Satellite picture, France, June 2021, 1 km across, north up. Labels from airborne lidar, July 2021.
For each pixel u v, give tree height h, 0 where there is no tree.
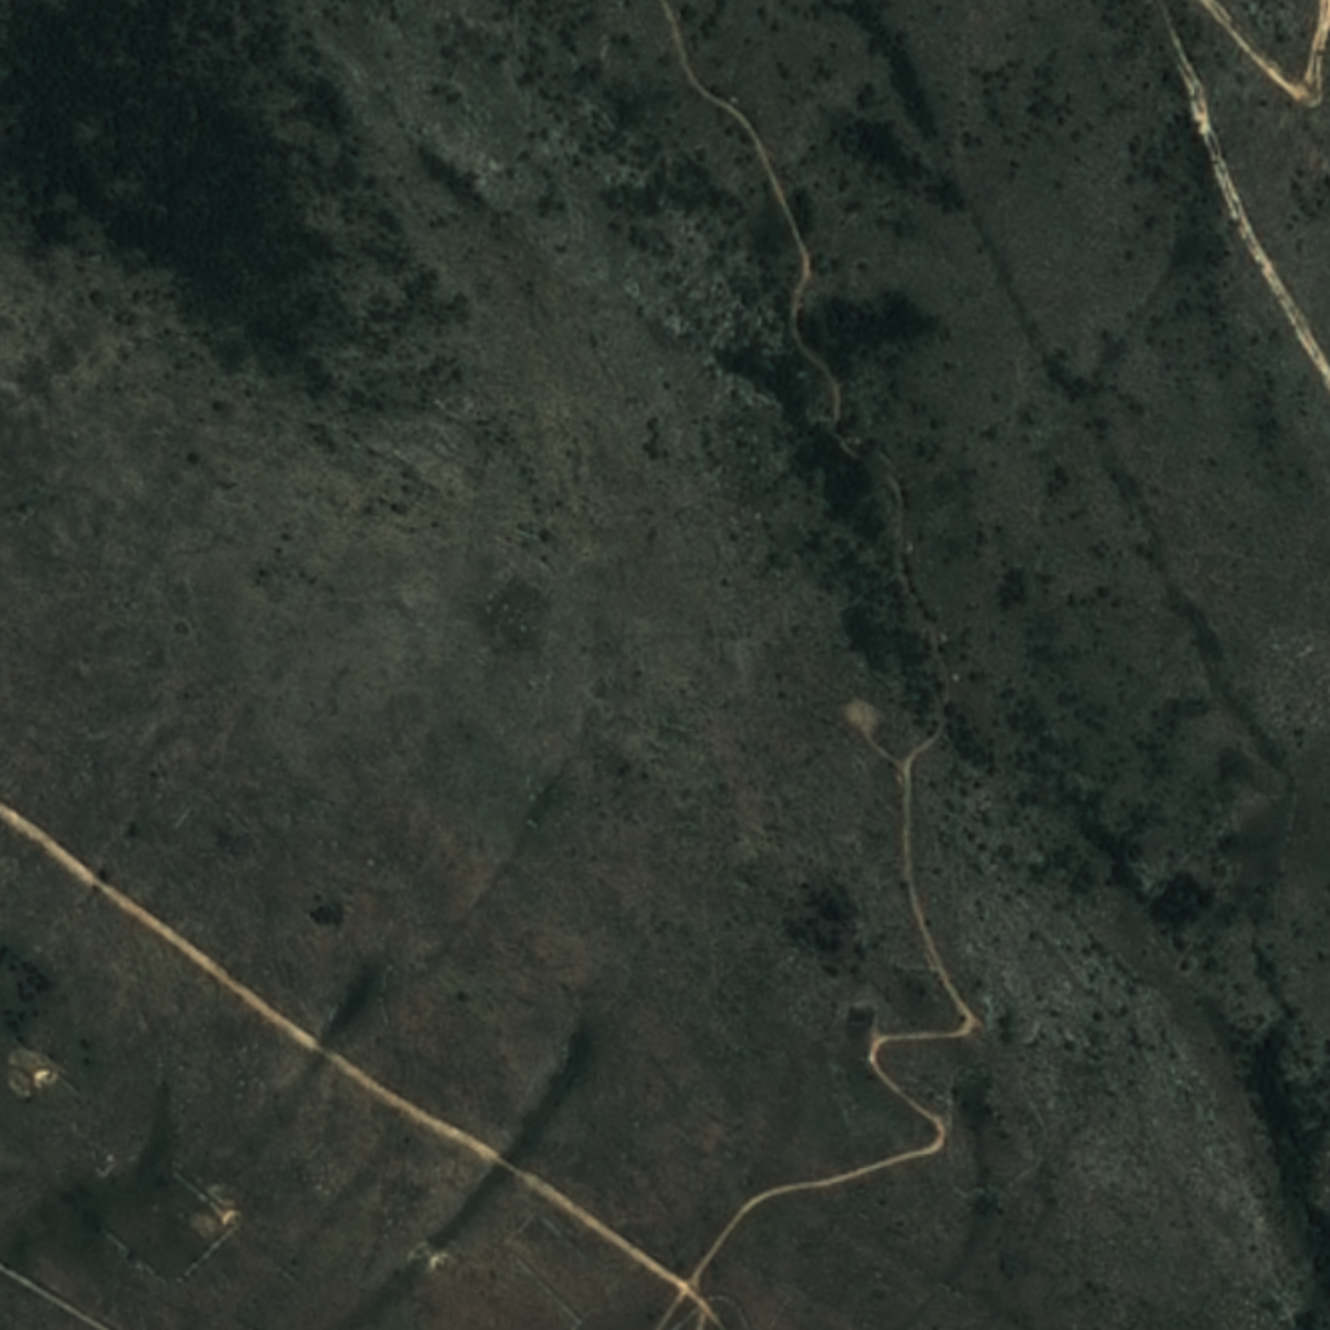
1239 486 0
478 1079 0
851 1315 0
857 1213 0
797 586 0
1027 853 0
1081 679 0
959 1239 0
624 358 0
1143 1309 0
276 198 5
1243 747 0
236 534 0
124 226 7
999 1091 0
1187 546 0
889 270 0
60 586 0
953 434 0
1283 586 0
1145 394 0
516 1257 0
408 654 0
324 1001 0
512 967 0
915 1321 0
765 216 0
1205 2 0
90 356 0
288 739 0
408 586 0
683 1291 0
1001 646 0
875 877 0
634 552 0
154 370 0
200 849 0
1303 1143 8
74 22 6
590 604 0
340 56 0
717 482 0
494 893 0
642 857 0
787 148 0
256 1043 0
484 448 0
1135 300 0
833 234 0
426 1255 0
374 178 6
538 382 0
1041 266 0
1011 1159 0
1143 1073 0
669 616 0
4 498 0
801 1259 0
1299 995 0
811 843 0
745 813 0
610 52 0
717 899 0
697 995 0
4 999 0
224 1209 0
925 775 0
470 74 0
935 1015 0
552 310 0
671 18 0
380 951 0
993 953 0
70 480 0
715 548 0
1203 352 0
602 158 0
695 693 0
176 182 6
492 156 0
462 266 0
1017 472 0
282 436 0
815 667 0
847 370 7
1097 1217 0
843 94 0
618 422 0
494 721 0
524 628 0
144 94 6
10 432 0
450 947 0
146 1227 0
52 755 0
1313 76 0
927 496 0
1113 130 0
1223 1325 0
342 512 0
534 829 0
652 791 0
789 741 0
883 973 0
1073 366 0
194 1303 0
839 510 7
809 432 7
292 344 6
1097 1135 0
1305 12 0
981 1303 0
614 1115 0
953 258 0
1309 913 0
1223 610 0
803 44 0
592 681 0
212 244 6
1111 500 0
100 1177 0
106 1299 0
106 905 0
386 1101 0
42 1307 0
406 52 0
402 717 0
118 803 0
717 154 0
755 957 0
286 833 0
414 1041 0
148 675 0
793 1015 0
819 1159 0
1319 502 0
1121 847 8
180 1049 0
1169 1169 0
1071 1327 0
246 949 0
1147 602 0
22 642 0
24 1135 0
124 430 0
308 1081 0
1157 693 0
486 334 0
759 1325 0
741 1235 0
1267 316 0
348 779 0
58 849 0
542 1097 0
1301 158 0
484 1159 0
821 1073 0
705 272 0
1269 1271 0
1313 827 0
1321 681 0
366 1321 0
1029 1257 0
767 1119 0
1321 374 0
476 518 0
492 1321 0
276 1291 0
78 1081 0
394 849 0
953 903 0
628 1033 0
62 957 0
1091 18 0
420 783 0
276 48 5
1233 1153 0
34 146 7
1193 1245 0
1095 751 0
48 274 0
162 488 0
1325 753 0
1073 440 0
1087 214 0
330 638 0
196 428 0
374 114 0
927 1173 0
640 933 0
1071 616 0
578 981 0
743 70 0
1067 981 0
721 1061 0
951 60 0
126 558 0
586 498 0
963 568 0
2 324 0
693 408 0
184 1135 0
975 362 0
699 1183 0
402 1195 0
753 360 7
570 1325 0
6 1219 0
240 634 0
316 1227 0
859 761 0
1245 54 0
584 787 0
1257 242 0
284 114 6
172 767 0
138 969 0
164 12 6
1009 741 0
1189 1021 0
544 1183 0
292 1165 0
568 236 0
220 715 0
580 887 0
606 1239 0
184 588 0
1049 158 0
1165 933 7
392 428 0
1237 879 0
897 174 6
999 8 0
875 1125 0
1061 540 0
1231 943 0
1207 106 0
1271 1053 10
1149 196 0
